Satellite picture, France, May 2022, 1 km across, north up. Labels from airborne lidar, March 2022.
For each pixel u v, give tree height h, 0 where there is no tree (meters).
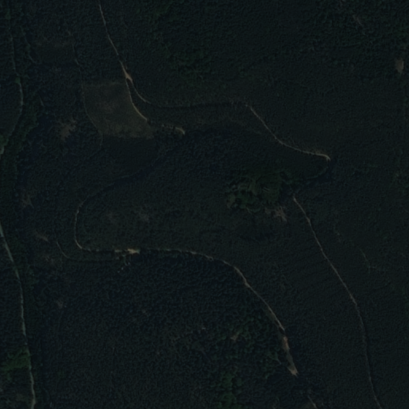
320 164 13
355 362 22
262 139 9
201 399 19
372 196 18
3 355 23
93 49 17
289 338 19
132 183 25
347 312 23
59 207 21
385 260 15
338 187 28
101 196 20
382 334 20
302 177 12
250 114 21
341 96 17
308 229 15
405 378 20
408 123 11
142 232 27
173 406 19
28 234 35
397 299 18
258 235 9
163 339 29
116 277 28
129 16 17
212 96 16
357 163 19
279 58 20
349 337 20
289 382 26
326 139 15
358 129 16
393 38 11
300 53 21
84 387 26
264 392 34
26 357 23
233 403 34
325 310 18
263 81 15
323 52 17
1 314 27
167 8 14
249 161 12
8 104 26
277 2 14
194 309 27
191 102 16
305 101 10
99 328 24
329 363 20
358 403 20
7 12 19
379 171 16
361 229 14
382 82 18
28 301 18
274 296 23
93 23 19
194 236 16
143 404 22
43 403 17
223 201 23
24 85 19
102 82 18
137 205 17
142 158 7
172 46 11
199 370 25
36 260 35
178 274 28
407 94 13
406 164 12
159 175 22
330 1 15
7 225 15
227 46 22
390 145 12
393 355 20
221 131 9
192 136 15
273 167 10
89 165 27
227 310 29
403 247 12
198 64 14
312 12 18
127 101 0
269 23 22
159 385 23
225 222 21
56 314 24
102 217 18
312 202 15
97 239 14
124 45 16
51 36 25
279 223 25
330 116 19
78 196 7
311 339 23
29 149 20
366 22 26
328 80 14
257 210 27
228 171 9
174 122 18
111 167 26
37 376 14
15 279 32
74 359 23
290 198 23
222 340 30
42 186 23
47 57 6
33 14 25
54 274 27
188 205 17
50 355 38
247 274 25
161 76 16
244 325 34
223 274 29
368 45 11
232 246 20
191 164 20
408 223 13
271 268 12
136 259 13
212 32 22
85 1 19
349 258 14
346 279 13
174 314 27
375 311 22
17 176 13
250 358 36
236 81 19
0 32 37
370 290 16
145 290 23
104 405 24
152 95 17
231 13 25
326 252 16
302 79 16
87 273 30
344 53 11
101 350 24
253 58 16
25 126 22
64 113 28
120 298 27
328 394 25
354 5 27
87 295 24
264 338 34
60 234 16
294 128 13
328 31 23
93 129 22
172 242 21
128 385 23
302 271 17
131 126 0
